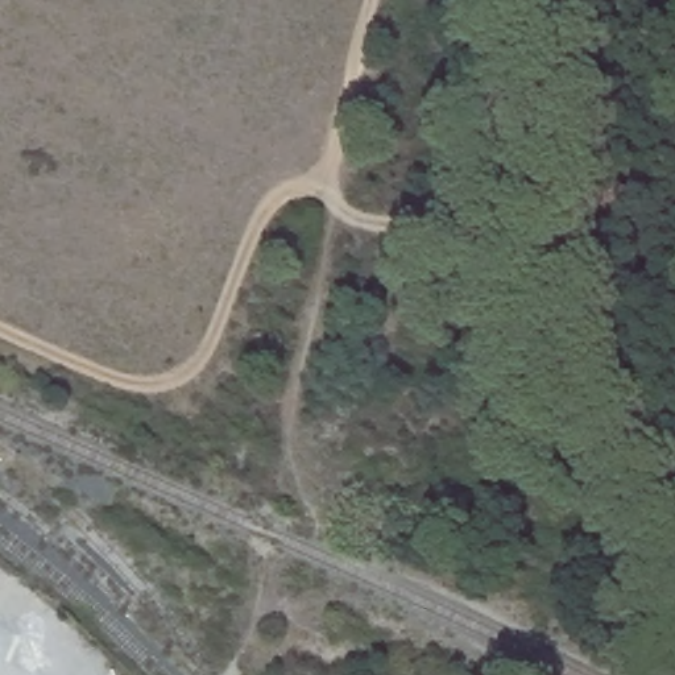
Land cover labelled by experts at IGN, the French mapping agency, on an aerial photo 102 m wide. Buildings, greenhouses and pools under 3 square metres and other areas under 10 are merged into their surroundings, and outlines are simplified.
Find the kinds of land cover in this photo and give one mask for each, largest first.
<instances>
[{"label":"coniferous trees","instance_id":"1","mask_svg":"<svg viewBox=\"0 0 675 675\"><path fill-rule=\"evenodd\" d=\"M596 8L583 0H380V8L369 21L364 37V76L351 84L338 103V127L343 145L340 185L345 200L359 211L388 214L390 221L382 232L345 227L335 235V279L330 282L327 301L322 308V338L311 343L308 364L301 374L303 401L298 414L303 422H311L322 419L324 411H335L340 406H369L374 401L393 403L396 393L411 385L425 393L430 411H454L459 417V425L454 430H440L435 425L432 432L425 438L422 456L409 467V477L414 483L388 485L385 493L390 498V506L385 509V525L374 535L377 543L388 546L382 562L398 559L414 567L417 572L435 577L443 588H451L475 601H488L496 593L512 601H527L533 633H546L551 643L559 641V633H567L572 643H577V649L593 659V664L609 667V675H675V456H664V451L646 446L638 435H622V427H635L638 419L630 417V411L643 403V398L638 380H633L620 367L614 353L617 343L612 322L604 316V308L614 306L617 287L609 277L612 269L606 264V250L593 240L591 227L585 221V214H593L599 206H609L614 200V187L593 185L601 177H612V158H593L591 150L596 145H604V127L614 124L617 105L604 103V92L612 90V76H604L593 61V53L609 42V29L601 21L588 24Z\"/></svg>","mask_w":675,"mask_h":675},{"label":"plowed land","instance_id":"2","mask_svg":"<svg viewBox=\"0 0 675 675\"><path fill-rule=\"evenodd\" d=\"M364 0H0V330L5 324H13L47 343H55L84 359L129 374H161L182 364L195 353L208 330L243 229L253 216L258 200L274 185L301 177L314 163H319L327 132L338 127V103L351 84L343 79V71L353 24Z\"/></svg>","mask_w":675,"mask_h":675},{"label":"pervious surface","instance_id":"3","mask_svg":"<svg viewBox=\"0 0 675 675\"><path fill-rule=\"evenodd\" d=\"M380 8V0H364L353 24L343 71V79L351 84L364 76V37L369 21ZM343 145L338 127L327 132L319 163H314L301 177L274 185L258 200L253 216L243 229L208 330L195 353L182 364L161 374H129L84 359L55 343H47L13 324H5L0 330V338L16 348L42 356L47 364H61L71 372H79L90 380L105 382L119 390L142 396L158 393L192 382L206 369V364L211 361L224 338L235 303L245 282L248 266L256 256L258 240L272 221L277 211L295 198H319L327 206L324 235L314 274L308 301L303 306V314L298 316L301 338L290 359L287 377V388L282 393V422L298 414L303 401L301 374L308 364L311 343L322 338V308L327 301L330 282L335 279V235L345 227L382 232L390 221L388 214L359 211L345 200L340 185ZM79 406L71 401H66L61 411H53L45 403L37 406L32 401H0V577L13 575L21 580V585L42 596V601L50 609H55L58 620L71 622L82 641L105 657V664L116 675H221V672L216 664H200L203 646L198 643V633L187 630L177 614H163L166 596L161 593V588L145 583L134 572L132 556L119 546V541H111L105 533L95 530L90 514L95 506L103 504H134L145 509L153 519H158L163 527H171L182 535H195V541L203 548L219 541L248 543L258 538L272 546L274 556L287 551L295 559L308 562L316 570H324L327 577H345L351 583L374 588V593L382 596L388 604H401V622L382 614L369 617V625L388 630L390 638H406L422 649L430 641H435L446 649L464 651L469 659L485 654L488 662H527L538 670V675H609V667L593 664V659L577 649V643H572L567 633H559V641L551 643L546 633H533L527 601H512L496 593L488 601H475L451 588H443L435 577L417 572L414 567L398 559L382 562H359L332 551L327 541L293 535V519L282 517L272 504H261L256 509H235L224 498L206 496L198 488H192L190 483L163 477L150 464H132L124 456H116L108 443L84 432V427L76 419ZM42 488L74 490L76 506L45 522L42 514L34 512L40 506Z\"/></svg>","mask_w":675,"mask_h":675},{"label":"herbaceous vegetation","instance_id":"4","mask_svg":"<svg viewBox=\"0 0 675 675\"><path fill-rule=\"evenodd\" d=\"M250 332L245 308L235 303L224 338L211 361L206 364V369L192 382L158 393L166 401L169 411L192 417L216 390V382L224 374H232L235 364L229 359V348H240ZM0 351L16 353L26 369H40L47 364L42 356L16 348L0 338ZM435 425L440 430H454L459 425V417L454 411H430L425 393L411 385L396 393L393 403L374 401L369 406H340L335 411H324L322 419L311 422H303L298 414L282 422V459L274 467H258L250 459H237L235 454H227L224 459H211L203 467V483L198 488L206 496L224 498L235 509H256L261 504H272L282 517L293 519V535L327 541L332 551L359 562H382L388 546L377 543L374 535L385 525V509L390 506V498L385 493L388 485L414 483L409 477V467L422 456L425 438L432 432ZM253 548L248 554V585H256V599L250 601L253 606L248 628L227 670L221 672V675H538V670L527 662H488L485 654L469 659L464 651L446 649L435 641H430L422 649L406 638H390L388 630L369 625V617L382 614L401 622V604H388L382 596L374 593V588L351 583L345 577H327L324 588L306 591L290 599V593L285 591L287 575L282 570H287L295 559L287 551L274 556L272 546L258 538L248 543ZM269 612H282L287 617V633L279 641H264L258 635V620Z\"/></svg>","mask_w":675,"mask_h":675},{"label":"deciduous trees","instance_id":"5","mask_svg":"<svg viewBox=\"0 0 675 675\"><path fill-rule=\"evenodd\" d=\"M596 8L588 24L601 21L609 29V42L593 53V61L604 76H612V90L604 92V103L617 105L614 124L604 127V145H596L591 150L593 158H612V177H601L593 185L614 187V200L609 206H599L593 214H585V221L591 227L593 240L606 250V264L612 269L609 277L617 287L614 306L604 308V316L612 322L617 343L614 353L620 367L633 380H638L643 398V403L630 411V417L638 419L635 427H622V435H638L646 446L664 451V456H675V0H583ZM298 256H303V248L298 243V235L272 221L258 240L256 256L248 266L245 282L235 303L245 308L250 332L240 348H229V359L235 364L232 374L250 396L256 390L277 385L282 374L287 377L290 359L301 338L298 316L303 314V306L308 301L314 274H301ZM76 506L74 490L42 488L40 506L34 512L42 514L45 522ZM287 575L285 591L290 593V599L306 591L324 588L327 577L324 570H316L308 562L295 559L287 570H282ZM287 633V617L282 612H269L258 620V635L264 641H279Z\"/></svg>","mask_w":675,"mask_h":675},{"label":"brushwood","instance_id":"6","mask_svg":"<svg viewBox=\"0 0 675 675\"><path fill-rule=\"evenodd\" d=\"M327 206L319 198H295L277 211L272 221L298 235V243L303 248V256H298L301 274H314L324 235ZM287 388V377L282 374L277 385L256 390L250 396L232 374H224L216 382V390L192 417L169 411L166 401L158 393L142 396L119 390L105 382L90 380L79 372H71L61 364H47L40 369H26L16 353L0 351V401H32L37 406L45 403L53 411H61L66 401H71L79 406L76 419L84 427V432L108 443L116 456H124L132 464H150L163 477L190 483L192 488H198L203 483V467L211 459H224L227 454H235L237 459H250L258 467H274L282 459V393ZM95 530L105 533L111 541H119V546L132 556L134 572L145 583L161 588V593L166 596L163 614H177L187 630L198 633V643L203 646L200 664H216L221 672L227 670L248 628L253 606L250 601L256 599V585H248V554L253 548L248 543L219 541L203 548L195 541V535H182L171 527H163L158 519H153L145 509L134 504H103L95 506L90 514Z\"/></svg>","mask_w":675,"mask_h":675},{"label":"impervious surface","instance_id":"7","mask_svg":"<svg viewBox=\"0 0 675 675\"><path fill-rule=\"evenodd\" d=\"M0 675H116L105 664V657L82 641L71 622L58 620L55 609H50L42 601V596L21 585V580L13 575L0 577Z\"/></svg>","mask_w":675,"mask_h":675}]
</instances>
